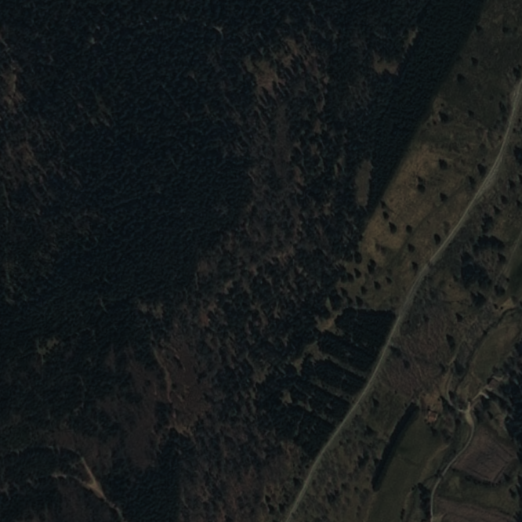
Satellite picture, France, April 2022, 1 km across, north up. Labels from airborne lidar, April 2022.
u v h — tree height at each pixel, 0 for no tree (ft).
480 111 0
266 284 129
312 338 99
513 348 0
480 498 0
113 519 43
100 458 31
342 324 57
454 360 0
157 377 35
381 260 0
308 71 84
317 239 45
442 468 0
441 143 0
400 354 81
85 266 60
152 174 86
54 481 62
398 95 91
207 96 91
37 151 91
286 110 63
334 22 92
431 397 0
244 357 61
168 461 62
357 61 91
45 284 43
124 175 102
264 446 53
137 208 98
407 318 0
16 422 26
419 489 0
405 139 71
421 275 0
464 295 0
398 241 0
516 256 0
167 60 73
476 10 74
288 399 0
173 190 65
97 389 72
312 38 33
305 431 70
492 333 0
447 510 0
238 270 67
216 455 90
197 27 88
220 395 111
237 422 65
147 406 37
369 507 0
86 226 24
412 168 0
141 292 70
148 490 63
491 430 0
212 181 71
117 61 108
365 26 113
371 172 0
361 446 52
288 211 34
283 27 102
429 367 53
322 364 53
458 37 69
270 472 72
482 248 67
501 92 0
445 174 0
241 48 31
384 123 83
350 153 94
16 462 56
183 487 57
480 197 0
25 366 31
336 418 52
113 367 40
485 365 0
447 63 86
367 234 0
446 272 0
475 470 0
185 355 20
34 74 111
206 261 63
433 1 69
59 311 53
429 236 0
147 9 66
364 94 82
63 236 24
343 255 82
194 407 29
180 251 81
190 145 105
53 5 44
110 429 57
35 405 55
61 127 104
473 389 0
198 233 71
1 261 25
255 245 99
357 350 59
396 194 0
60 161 58
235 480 73
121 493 68
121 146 84
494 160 0
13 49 94
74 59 47
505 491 0
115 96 30
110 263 52
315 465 0
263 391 79
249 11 90
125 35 51
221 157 37
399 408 0
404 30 94
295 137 134
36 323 46
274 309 100
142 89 57
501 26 0
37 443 25
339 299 77
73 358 39
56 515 44
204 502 79
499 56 0
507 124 50
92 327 32
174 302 66
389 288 0
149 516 85
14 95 0
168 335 61
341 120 40
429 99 84
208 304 111
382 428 0
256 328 66
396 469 0
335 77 87
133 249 66
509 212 0
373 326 55
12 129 74
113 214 84
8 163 96
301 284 44
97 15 81
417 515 0
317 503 56
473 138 0
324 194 57
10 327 56
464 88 0
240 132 96
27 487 69
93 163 55
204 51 32
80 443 33
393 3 110
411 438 0
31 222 35
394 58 114
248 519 83
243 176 75
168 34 93
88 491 29
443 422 0
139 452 46
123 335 55
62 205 34
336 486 44
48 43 32
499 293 74
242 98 93
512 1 0
